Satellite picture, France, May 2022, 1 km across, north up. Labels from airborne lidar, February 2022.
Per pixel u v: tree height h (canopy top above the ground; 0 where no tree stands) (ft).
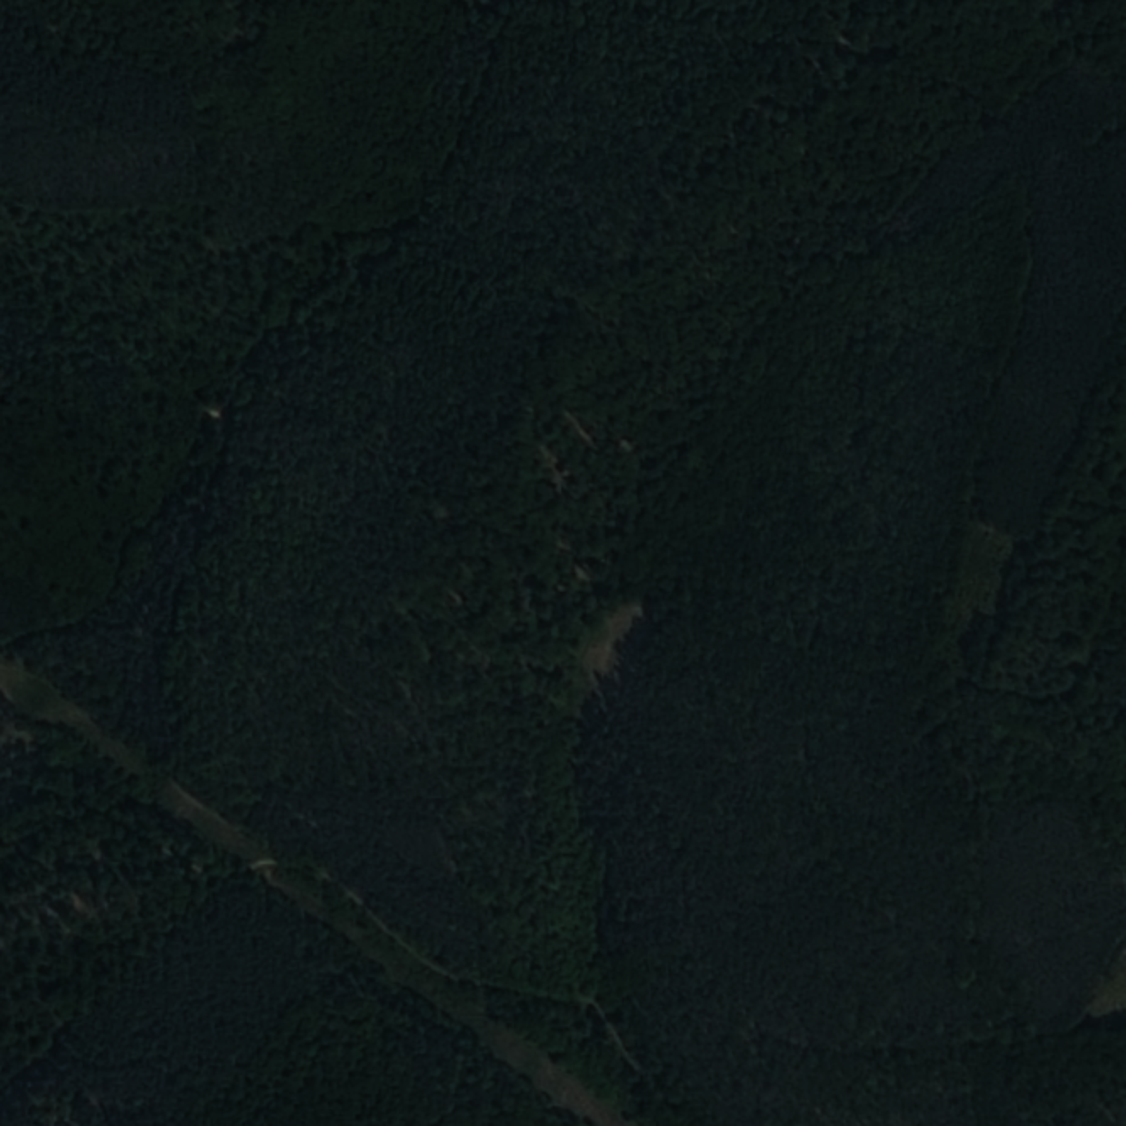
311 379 88
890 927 70
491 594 101
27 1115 95
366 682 79
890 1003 63
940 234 94
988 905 77
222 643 90
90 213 35
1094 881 77
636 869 91
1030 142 75
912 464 91
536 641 130
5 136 69
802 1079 93
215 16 79
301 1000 80
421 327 78
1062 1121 74
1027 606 83
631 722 77
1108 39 96
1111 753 117
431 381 87
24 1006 105
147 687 126
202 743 74
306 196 80
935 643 66
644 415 112
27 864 86
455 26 79
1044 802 76
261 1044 69
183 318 82
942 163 74
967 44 96
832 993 83
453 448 84
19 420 65
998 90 100
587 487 114
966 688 55
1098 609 35
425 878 53
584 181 91
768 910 86
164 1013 69
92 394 66
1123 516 63
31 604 51
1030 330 81
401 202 79
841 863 77
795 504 88
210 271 77
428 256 99
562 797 105
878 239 71
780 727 88
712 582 92
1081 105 70
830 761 83
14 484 50
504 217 81
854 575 80
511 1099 78
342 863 61
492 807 90
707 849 90
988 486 78
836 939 78
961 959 89
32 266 91
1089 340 70
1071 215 84
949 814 72
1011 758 58
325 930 60
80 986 98
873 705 82
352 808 69
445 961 73
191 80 76
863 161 99
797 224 98
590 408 115
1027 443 73
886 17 96
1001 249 92
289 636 77
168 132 66
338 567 79
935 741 71
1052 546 89
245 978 72
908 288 91
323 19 85
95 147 79
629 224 52
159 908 111
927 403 87
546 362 88
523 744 105
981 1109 50
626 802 98
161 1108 89
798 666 89
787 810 88
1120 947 46
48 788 67
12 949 92
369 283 88
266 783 58
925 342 82
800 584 91
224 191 66
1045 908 72
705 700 91
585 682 0
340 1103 82
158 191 62
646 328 97
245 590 77
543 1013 89
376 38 87
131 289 81
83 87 76
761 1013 87
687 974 82
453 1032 50
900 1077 101
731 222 102
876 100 106
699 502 103
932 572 86
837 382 91
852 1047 52
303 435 86
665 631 88
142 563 40
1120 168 79
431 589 76
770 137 83
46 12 86
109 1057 71
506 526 111
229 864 40
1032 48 91
